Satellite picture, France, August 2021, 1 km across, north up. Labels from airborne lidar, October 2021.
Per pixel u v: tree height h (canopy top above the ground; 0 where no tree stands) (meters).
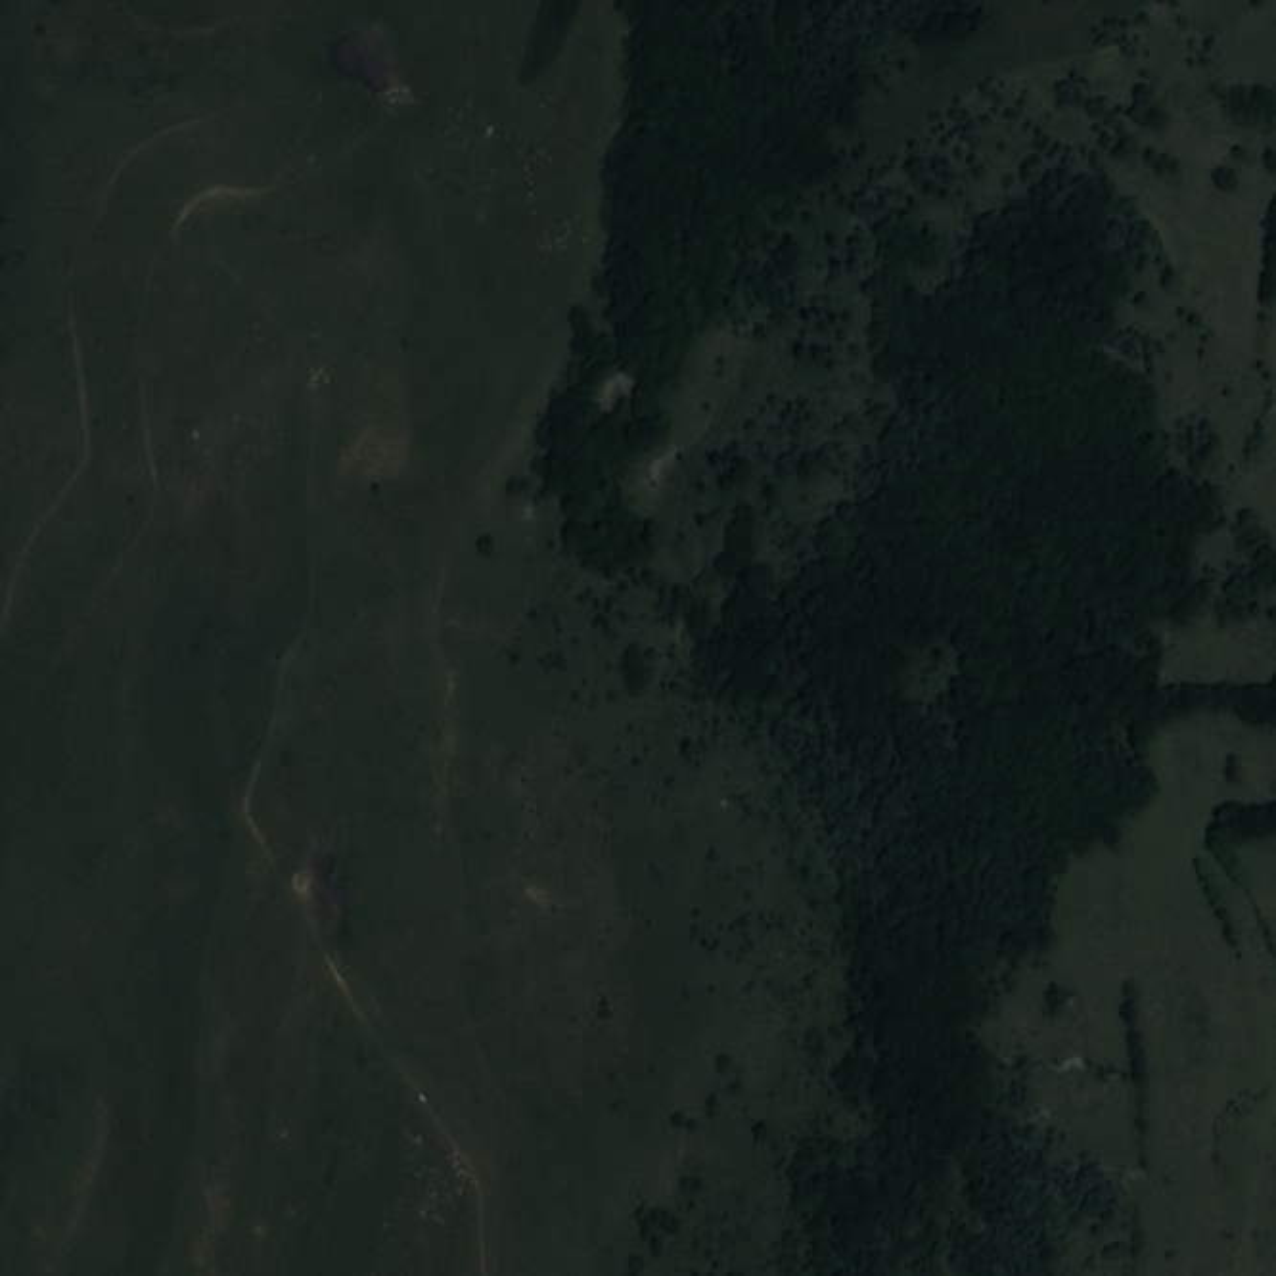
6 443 0
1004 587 21
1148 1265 0
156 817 0
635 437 20
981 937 16
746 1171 0
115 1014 0
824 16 12
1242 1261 0
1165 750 0
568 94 0
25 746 0
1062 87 10
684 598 14
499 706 0
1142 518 28
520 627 0
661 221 20
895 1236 9
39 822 0
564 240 0
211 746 0
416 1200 0
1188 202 0
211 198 0
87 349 0
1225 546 0
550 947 0
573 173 0
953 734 11
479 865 0
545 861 0
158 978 0
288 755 0
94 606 0
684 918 0
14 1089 0
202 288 0
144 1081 0
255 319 0
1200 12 0
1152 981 0
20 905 0
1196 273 0
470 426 0
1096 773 27
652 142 19
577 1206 0
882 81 9
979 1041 10
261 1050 0
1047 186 10
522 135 0
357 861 0
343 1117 0
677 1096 0
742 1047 0
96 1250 0
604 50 0
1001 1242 13
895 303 16
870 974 12
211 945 0
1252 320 0
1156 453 24
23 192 0
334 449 0
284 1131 0
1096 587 29
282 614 0
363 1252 0
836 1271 5
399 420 0
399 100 0
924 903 11
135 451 0
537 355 0
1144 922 0
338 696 0
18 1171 0
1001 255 14
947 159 8
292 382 0
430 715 0
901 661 20
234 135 0
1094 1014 0
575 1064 0
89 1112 0
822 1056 6
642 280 19
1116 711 28
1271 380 10
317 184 0
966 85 0
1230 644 0
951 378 19
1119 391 21
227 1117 0
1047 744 22
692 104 21
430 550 0
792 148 22
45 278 0
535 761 0
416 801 0
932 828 20
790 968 0
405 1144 0
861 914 9
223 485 0
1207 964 0
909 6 12
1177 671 0
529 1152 0
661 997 0
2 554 0
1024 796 20
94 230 0
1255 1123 0
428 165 0
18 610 0
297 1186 0
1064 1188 9
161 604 0
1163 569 29
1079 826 22
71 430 0
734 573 14
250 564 0
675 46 22
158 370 0
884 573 21
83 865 0
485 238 0
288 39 0
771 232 11
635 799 0
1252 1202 0
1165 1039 0
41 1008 0
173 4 0
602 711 0
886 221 12
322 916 0
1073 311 13
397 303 0
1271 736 0
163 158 0
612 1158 0
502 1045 0
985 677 18
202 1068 0
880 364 10
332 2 0
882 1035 15
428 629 0
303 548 0
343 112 0
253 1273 0
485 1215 0
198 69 0
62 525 0
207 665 0
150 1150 0
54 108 0
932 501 22
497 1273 0
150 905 0
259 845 0
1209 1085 0
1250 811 16
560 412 14
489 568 0
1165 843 0
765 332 10
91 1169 0
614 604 8
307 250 0
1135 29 8
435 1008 0
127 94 0
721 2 10
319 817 0
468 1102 0
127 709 0
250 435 0
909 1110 13
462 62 0
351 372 0
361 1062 0
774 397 7
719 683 6
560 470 21
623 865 0
